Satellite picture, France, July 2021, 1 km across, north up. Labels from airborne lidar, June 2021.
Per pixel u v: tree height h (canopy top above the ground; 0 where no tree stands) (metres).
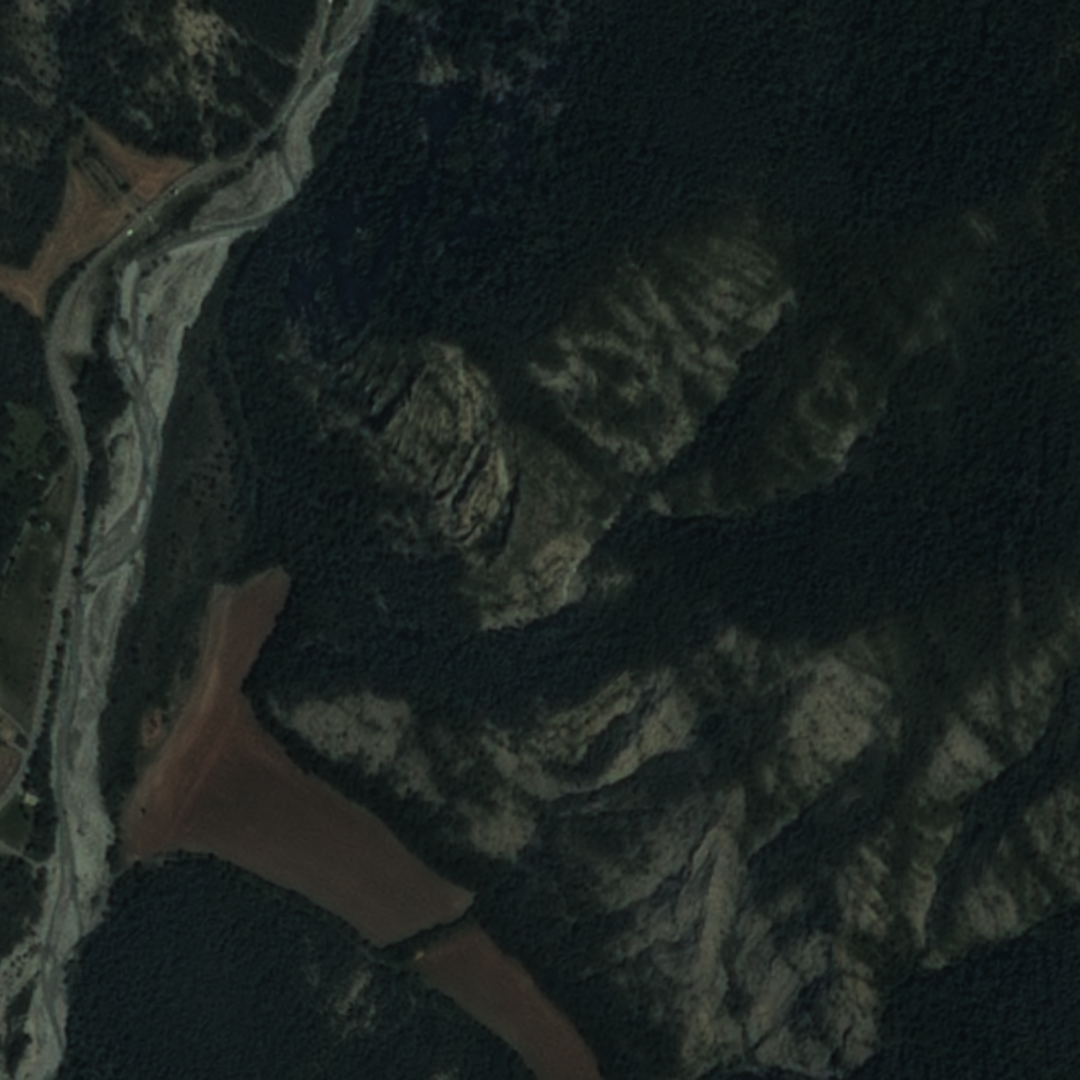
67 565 0
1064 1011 8
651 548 8
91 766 0
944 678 10
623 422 6
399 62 17
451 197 13
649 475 7
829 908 6
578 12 10
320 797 0
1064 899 11
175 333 0
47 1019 0
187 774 0
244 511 10
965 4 10
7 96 9
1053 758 7
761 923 0
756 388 8
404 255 11
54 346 0
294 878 0
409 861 0
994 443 6
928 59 8
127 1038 7
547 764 7
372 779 10
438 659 13
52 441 6
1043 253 6
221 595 0
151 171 0
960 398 7
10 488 6
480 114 6
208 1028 6
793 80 11
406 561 9
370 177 16
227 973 9
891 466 7
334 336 7
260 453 12
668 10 17
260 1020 9
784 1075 11
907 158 11
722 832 0
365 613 10
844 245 6
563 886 6
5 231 7
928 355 7
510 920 11
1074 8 9
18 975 0
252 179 0
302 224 12
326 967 6
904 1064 7
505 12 6
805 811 16
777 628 8
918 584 11
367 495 12
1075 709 10
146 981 11
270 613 0
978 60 8
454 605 11
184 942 10
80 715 0
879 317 7
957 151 7
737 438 9
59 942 0
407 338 9
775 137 18
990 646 6
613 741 9
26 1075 0
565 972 8
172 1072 8
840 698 0
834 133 16
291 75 24
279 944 8
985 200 9
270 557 15
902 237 7
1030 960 10
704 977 0
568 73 10
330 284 7
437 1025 11
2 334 11
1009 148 14
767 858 5
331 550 15
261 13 22
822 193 14
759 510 6
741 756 8
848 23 7
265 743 0
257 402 16
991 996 7
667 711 0
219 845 0
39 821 10
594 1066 0
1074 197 7
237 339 15
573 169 13
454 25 7
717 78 19
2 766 0
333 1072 7
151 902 7
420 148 14
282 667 6
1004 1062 8
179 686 0
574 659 8
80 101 14
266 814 0
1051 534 6
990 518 10
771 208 6
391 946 7
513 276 11
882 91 7
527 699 8
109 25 15
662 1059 8
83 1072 8
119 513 0
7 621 0
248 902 9
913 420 8
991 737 11
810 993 7
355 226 17
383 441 6
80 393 15
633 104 10
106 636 0
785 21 6
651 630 7
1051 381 6
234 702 0
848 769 7
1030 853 10
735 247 0
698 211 7
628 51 12
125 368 0
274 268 15
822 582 7
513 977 0
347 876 0
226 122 18
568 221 12
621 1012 9
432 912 0
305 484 13
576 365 0
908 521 9
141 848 0
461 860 11
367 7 0
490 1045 14
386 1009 8
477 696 8
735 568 8
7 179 8
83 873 0
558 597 0
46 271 0
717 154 10
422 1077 7
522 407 7
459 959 0
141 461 0
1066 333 7
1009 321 8
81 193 0
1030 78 13
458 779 9
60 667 11
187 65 10
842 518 8
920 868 0
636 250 7
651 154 13
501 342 10
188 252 0
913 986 10
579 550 0
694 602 8
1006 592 8
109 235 0
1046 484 12
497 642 9
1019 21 7
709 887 0
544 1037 0
